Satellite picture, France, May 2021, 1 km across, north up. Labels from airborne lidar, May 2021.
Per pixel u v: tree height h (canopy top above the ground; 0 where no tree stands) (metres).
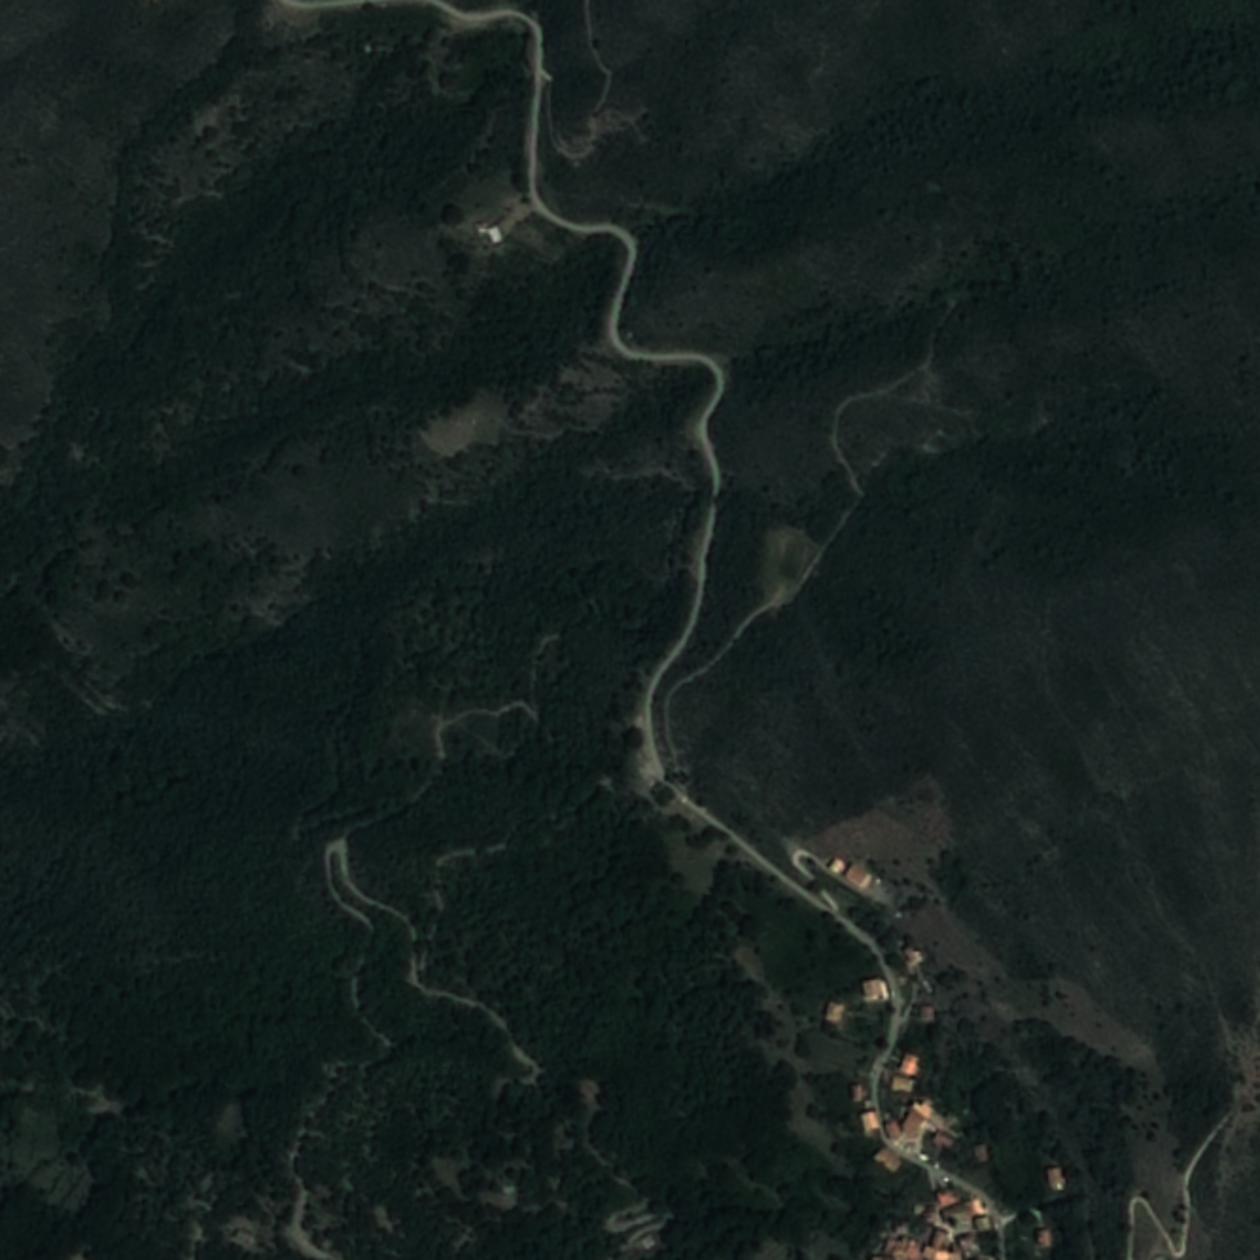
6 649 11
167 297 13
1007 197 6
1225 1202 0
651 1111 12
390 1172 7
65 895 10
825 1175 7
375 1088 9
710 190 12
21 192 0
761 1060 9
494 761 6
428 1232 10
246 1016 10
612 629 11
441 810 9
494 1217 6
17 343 0
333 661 13
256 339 8
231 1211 9
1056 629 0
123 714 8
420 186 10
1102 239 7
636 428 9
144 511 12
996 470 6
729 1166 9
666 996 15
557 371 7
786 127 0
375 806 12
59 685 12
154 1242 10
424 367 7
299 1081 15
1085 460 5
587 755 8
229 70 13
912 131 12
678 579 9
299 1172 11
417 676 9
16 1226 14
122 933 7
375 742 9
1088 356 11
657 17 0
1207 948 0
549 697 11
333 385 14
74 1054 13
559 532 9
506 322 12
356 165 8
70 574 9
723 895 10
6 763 14
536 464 13
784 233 11
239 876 10
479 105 14
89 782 12
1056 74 12
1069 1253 16
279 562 10
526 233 0
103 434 10
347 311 7
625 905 10
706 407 0
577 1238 15
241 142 8
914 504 7
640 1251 0
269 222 15
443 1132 13
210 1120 11
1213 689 0
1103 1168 8
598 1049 15
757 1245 12
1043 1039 6
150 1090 21
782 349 10
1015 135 10
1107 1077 10
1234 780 0
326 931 10
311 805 11
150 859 12
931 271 0
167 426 10
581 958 11
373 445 8
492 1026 12
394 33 10
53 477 8
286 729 7
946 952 0
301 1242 0
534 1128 14
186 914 13
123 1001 14
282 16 0
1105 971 0
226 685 11
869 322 10
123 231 15
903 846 0
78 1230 13
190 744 8
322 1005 12
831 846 0
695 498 7
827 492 6
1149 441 8
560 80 8
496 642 8
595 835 8
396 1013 10
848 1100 0
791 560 0
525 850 9
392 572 16
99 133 7
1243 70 5
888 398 0
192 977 13
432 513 12
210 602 9
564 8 6
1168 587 0
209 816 9
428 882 7
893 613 8
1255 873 0
